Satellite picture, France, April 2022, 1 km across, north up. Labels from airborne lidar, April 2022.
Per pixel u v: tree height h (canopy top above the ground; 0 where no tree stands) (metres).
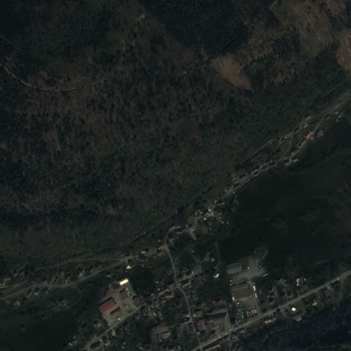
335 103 0
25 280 0
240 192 0
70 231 23
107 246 16
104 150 13
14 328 0
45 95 22
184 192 15
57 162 24
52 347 0
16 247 16
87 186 23
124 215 19
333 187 0
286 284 10
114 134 26
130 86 19
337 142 0
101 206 23
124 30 15
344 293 0
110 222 20
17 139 17
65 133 9
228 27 29
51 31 25
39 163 26
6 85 22
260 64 15
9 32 13
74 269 0
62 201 20
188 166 16
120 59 22
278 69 23
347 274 0
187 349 0
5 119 15
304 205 0
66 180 19
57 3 16
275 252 0
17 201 19
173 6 27
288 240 0
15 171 20
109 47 17
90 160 25
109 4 30
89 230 17
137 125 24
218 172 17
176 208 11
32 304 9
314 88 14
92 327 0
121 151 21
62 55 16
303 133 6
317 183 0
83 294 0
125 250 7
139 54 24
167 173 27
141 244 16
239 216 0
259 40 20
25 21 21
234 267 0
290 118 9
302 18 0
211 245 0
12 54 15
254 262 0
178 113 22
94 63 13
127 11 21
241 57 16
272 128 7
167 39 23
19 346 0
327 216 0
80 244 21
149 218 15
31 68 10
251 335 0
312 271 0
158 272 0
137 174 26
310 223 0
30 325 0
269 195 0
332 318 24
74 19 27
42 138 21
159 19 27
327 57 17
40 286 0
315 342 17
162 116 22
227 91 20
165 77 18
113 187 26
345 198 19
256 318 0
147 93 11
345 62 0
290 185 0
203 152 18
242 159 7
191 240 17
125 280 0
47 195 12
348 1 14
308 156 0
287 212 0
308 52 0
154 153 26
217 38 28
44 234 17
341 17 20
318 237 0
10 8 13
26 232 17
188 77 21
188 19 27
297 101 8
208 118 21
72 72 16
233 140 20
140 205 23
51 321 0
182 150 28
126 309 0
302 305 0
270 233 0
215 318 0
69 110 10
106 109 13
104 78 14
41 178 17
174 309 6
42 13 22
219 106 14
